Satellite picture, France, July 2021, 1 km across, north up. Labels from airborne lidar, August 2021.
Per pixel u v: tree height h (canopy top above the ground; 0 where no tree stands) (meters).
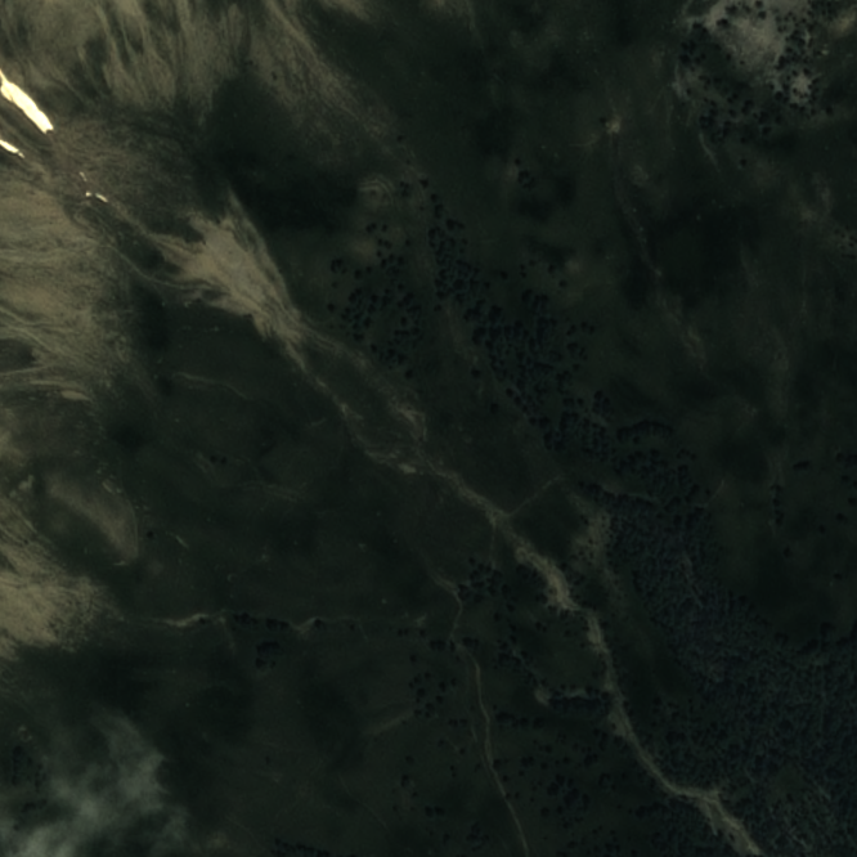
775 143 0
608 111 0
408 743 0
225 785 0
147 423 0
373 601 0
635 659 0
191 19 0
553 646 0
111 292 0
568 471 0
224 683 0
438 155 0
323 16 0
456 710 0
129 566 0
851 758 27
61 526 0
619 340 0
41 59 0
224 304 0
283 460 0
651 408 0
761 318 0
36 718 0
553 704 15
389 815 0
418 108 0
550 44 0
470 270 18
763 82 0
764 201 0
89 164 0
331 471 0
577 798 21
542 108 0
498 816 0
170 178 0
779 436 0
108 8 0
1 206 0
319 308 0
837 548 0
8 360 0
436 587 0
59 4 0
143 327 0
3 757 0
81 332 0
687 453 9
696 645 17
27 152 0
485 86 0
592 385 0
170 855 0
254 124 0
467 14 0
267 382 0
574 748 7
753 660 22
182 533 0
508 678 0
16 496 0
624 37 0
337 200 0
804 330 0
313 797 0
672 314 0
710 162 0
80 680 0
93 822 0
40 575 0
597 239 0
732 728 25
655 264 0
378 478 0
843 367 0
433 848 0
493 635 0
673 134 0
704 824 10
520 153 0
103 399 0
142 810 0
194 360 0
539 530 0
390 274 17
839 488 0
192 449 0
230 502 0
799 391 0
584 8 0
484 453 0
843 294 0
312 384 0
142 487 0
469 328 0
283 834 0
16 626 0
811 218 0
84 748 0
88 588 0
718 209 0
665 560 15
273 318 0
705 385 0
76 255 0
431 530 0
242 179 0
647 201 0
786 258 0
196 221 0
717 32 0
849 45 0
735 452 0
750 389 0
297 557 0
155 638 0
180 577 0
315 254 0
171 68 0
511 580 0
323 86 0
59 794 7
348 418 0
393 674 0
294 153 0
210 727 0
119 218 0
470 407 0
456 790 0
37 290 0
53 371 0
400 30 0
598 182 0
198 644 0
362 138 0
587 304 0
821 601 0
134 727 0
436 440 0
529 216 0
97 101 0
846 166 0
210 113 0
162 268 0
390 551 0
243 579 0
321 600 0
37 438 0
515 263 0
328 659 0
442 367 0
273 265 0
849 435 0
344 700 0
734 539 0
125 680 0
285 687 0
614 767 0
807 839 22
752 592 0
